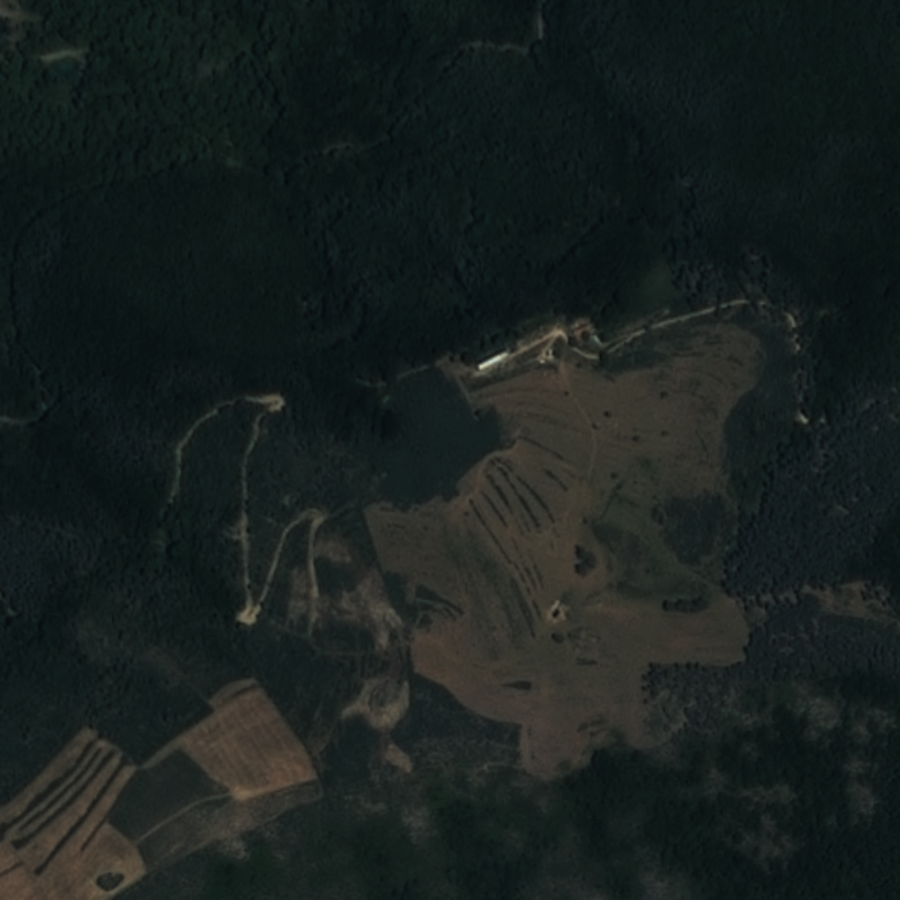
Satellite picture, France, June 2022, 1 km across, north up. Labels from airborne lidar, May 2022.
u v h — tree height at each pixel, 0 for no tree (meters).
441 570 0
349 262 19
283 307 18
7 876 0
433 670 0
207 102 9
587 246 20
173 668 0
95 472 19
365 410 14
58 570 12
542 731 0
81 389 15
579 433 0
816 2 23
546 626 0
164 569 7
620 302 17
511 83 20
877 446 17
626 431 0
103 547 13
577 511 0
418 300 9
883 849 18
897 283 26
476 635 0
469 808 7
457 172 10
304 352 23
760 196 19
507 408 0
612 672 0
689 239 18
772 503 18
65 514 15
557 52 16
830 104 17
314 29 12
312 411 9
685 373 0
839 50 19
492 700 0
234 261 25
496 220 16
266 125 14
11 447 19
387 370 18
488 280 14
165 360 26
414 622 0
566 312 12
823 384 18
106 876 0
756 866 12
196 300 21
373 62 9
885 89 17
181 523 8
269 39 8
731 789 7
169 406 15
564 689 0
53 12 15
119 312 27
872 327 26
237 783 0
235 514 6
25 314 21
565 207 12
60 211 13
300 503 9
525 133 12
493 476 0
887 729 11
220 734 0
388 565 0
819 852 17
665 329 0
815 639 12
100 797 0
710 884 8
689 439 0
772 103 16
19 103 15
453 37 14
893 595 13
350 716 0
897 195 24
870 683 10
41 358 19
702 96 16
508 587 0
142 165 11
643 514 0
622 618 0
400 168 10
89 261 24
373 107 16
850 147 11
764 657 13
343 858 0
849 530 20
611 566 0
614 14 9
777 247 21
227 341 18
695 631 0
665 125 15
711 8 12
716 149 13
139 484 12
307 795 0
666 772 6
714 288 16
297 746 0
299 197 13
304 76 8
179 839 0
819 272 23
